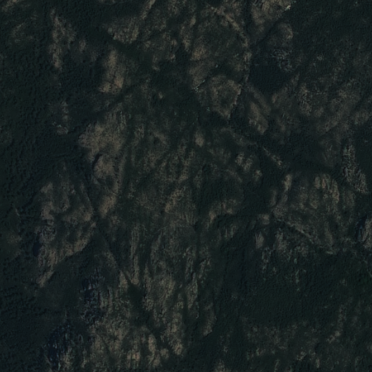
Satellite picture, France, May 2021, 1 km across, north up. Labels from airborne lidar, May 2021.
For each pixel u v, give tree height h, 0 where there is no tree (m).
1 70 8
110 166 0
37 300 13
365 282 14
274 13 0
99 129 0
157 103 13
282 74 7
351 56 8
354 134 6
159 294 0
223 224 16
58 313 16
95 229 12
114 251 11
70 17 8
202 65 0
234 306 6
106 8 9
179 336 0
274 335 9
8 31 9
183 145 8
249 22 9
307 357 12
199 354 8
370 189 8
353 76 7
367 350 7
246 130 11
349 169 9
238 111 8
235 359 8
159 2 7
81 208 0
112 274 0
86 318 13
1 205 17
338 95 7
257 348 8
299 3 9
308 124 8
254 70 10
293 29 9
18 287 16
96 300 16
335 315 7
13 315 16
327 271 12
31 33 6
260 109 0
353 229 8
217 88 0
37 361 15
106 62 0
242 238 11
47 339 14
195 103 10
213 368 15
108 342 0
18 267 16
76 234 0
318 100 0
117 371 16
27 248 18
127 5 8
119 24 0
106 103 0
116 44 0
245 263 7
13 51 16
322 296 13
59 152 18
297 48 6
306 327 6
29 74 17
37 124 19
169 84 8
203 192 8
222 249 10
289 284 8
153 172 10
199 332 6
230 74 6
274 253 10
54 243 0
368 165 7
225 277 12
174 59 7
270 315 7
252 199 10
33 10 7
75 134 15
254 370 8
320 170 9
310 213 0
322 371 12
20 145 16
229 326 8
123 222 0
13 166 17
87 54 10
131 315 0
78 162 10
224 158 0
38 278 0
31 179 22
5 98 10
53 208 0
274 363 9
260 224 10
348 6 7
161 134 0
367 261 7
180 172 8
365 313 9
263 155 11
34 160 22
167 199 8
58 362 7
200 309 10
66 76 17
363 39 9
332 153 0
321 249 9
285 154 11
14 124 11
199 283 7
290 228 16
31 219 20
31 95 18
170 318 0
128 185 9
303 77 8
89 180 12
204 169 14
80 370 11
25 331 17
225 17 10
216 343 8
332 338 7
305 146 8
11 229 14
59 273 9
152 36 9
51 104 15
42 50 12
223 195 11
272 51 7
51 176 10
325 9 8
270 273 7
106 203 0
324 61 8
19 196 18
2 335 16
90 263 10
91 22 14
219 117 11
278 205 12
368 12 10
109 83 0
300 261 10
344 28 11
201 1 9
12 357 14
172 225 0
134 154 0
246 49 8
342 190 8
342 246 10
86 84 6
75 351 13
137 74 7
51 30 13
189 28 0
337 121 0
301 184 0
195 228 8
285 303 9
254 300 9
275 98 0
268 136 9
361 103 7
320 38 7
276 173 10
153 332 11
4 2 10
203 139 0
